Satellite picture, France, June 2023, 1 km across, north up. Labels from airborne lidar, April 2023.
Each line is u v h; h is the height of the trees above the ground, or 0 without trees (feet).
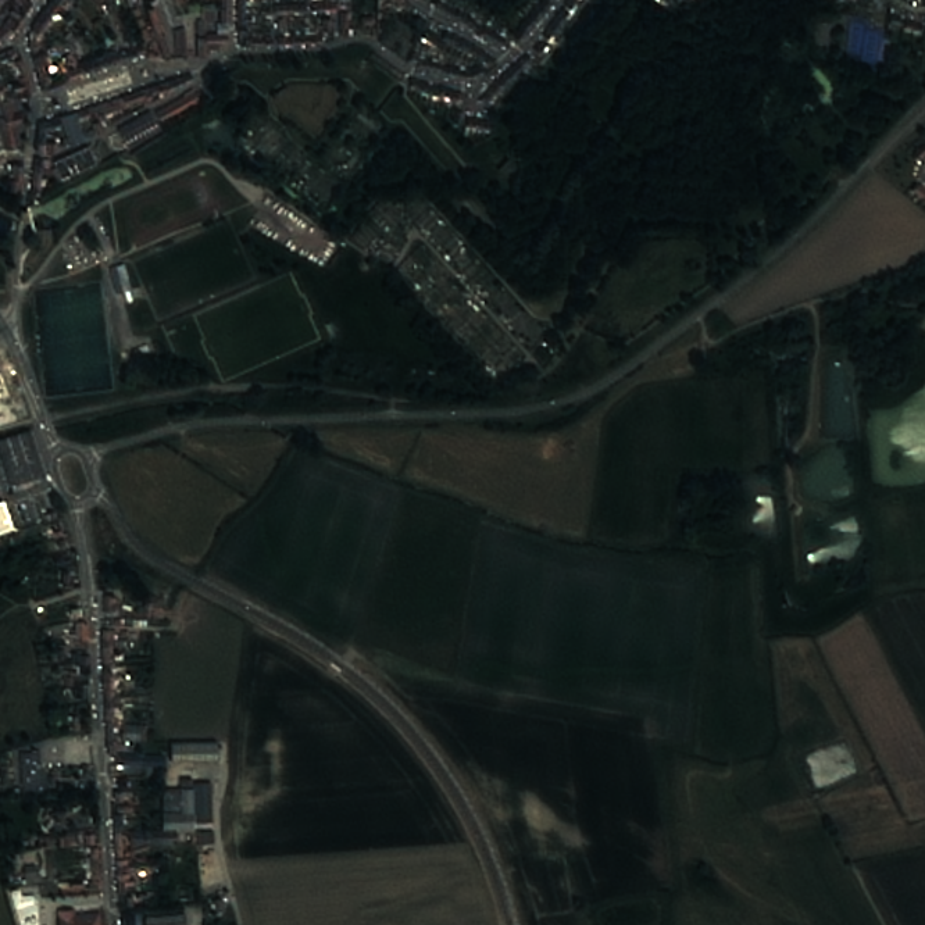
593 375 0
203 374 40
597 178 86
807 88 60
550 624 0
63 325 0
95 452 0
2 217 0
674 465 0
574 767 0
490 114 41
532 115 63
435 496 0
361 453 0
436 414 0
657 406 0
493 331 0
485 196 49
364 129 0
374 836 0
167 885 24
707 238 40
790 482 0
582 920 0
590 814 0
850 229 0
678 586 0
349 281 0
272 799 0
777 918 0
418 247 0
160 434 0
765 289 0
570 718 0
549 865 0
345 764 0
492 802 0
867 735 0
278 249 0
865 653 0
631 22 77
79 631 0
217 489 0
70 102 0
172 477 0
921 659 0
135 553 0
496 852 0
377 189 51
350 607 0
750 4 67
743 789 0
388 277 38
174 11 0
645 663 0
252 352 0
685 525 39
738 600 0
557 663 0
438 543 0
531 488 0
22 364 0
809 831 0
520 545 0
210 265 0
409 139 65
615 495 0
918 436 0
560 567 0
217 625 0
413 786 0
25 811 36
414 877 0
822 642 0
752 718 0
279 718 0
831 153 38
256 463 0
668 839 0
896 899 0
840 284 0
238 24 0
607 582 0
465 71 0
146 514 0
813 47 56
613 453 0
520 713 0
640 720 0
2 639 0
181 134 0
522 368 31
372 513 0
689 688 0
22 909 0
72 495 0
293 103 0
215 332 0
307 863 0
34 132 0
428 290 0
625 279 0
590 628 0
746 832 0
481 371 20
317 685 0
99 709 0
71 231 0
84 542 0
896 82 41
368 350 0
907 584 0
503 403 0
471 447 0
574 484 0
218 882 0
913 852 0
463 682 0
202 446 0
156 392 0
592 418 0
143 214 0
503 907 0
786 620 0
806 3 64
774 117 20
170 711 0
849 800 0
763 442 0
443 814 0
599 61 75
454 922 0
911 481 0
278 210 0
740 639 0
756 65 60
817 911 0
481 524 0
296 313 0
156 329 0
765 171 63
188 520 0
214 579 0
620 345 30
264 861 0
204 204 0
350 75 0
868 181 0
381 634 0
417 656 0
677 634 0
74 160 0
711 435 0
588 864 0
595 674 0
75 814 0
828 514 0
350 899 0
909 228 0
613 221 68
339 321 0
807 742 0
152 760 0
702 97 86
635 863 0
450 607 0
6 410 0
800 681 0
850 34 0
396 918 0
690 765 0
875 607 0
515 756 0
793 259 0
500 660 0
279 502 0
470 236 50
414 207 0
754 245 58
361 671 0
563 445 0
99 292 0
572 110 80
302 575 0
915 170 0
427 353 0
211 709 0
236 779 0
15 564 30
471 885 0
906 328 40
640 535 0
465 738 0
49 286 0
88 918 0
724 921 0
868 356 41
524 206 49
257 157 45
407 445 0
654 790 0
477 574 0
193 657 0
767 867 0
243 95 22
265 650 0
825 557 0
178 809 0
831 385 0
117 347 0
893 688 0
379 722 0
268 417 0
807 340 34
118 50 0
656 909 0
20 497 0
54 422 0
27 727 0
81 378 0
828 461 0
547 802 0
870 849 0
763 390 0
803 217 26
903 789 0
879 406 0
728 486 81
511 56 0
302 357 0
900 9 0
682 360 0
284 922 0
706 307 0
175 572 0
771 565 0
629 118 57
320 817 0
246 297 0
